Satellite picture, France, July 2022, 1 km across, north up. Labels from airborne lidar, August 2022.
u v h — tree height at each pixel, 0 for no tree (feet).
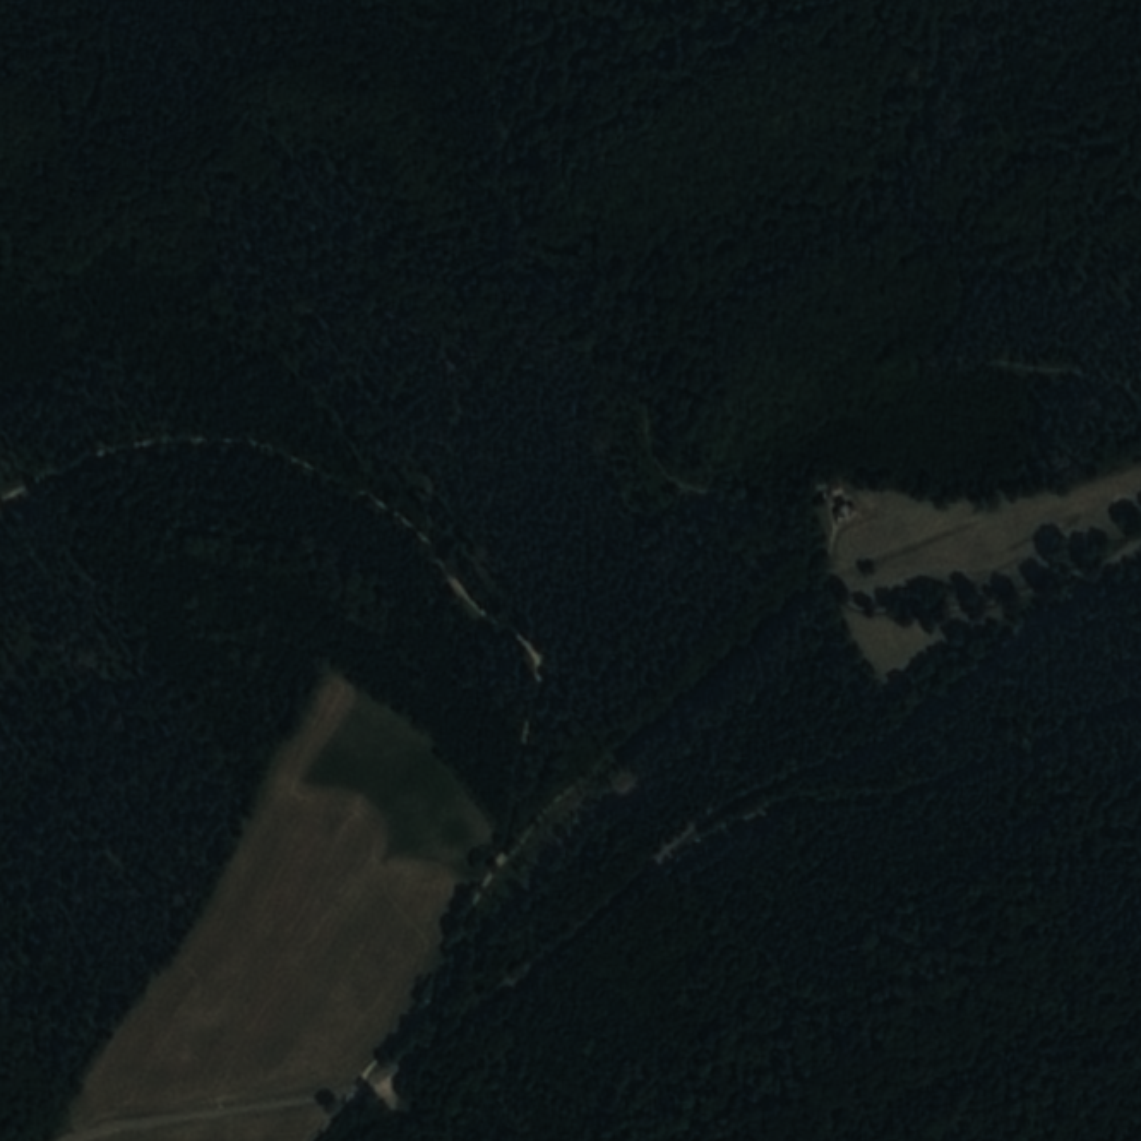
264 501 59
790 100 53
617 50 85
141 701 100
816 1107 102
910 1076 86
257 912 0
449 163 73
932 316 80
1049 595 77
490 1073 34
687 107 40
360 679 60
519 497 105
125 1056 0
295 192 65
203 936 0
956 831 67
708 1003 64
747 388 34
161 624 40
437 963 0
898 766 72
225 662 34
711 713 116
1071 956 82
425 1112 76
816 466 45
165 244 68
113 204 72
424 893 0
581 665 77
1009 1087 84
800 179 72
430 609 68
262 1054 0
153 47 80
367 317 74
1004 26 36
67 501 47
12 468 105
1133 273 89
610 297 95
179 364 38
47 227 64
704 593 103
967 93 47
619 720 52
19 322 32
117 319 40
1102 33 36
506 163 91
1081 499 0
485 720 46
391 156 53
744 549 35
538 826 49
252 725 38
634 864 58
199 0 90
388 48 100
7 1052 68
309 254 116
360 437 85
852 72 58
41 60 86
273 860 0
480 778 47
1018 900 93
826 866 66
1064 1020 86
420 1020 68
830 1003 25
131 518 70
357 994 0
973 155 62
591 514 108
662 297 114
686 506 68
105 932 112
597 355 94
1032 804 50
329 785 0
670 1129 68
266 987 0
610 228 75
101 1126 0
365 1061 0
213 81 78
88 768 63
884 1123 79
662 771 92
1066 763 89
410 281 77
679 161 45
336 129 66
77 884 107
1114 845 91
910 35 67
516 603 42
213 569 37
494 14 85
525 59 76
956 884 60
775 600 60
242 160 65
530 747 50
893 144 46
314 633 37
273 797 0
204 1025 0
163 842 118
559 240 47
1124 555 0
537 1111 62
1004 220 43
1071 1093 73
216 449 60
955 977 92
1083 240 45
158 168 88
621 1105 77
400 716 35
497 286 95
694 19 94
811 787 49
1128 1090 68
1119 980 93
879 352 84
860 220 78
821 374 67
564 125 84
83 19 77
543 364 109
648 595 100
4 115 64
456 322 75
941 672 59
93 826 95
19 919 20
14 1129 63
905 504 0
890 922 94
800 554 72
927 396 20
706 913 60
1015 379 33
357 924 0
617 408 61
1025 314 102
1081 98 55
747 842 75
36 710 29
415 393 97
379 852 0
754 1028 81
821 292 65
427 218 63
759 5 96
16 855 110
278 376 62
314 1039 0
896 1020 82
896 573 0
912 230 89
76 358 30
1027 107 49
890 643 0
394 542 86
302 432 40
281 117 64
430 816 0
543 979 52
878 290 62
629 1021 66
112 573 36
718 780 97
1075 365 44
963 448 25
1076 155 27
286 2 69
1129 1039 81
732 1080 81
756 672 103
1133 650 21
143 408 95
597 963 53
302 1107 0
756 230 74
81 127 76
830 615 71
